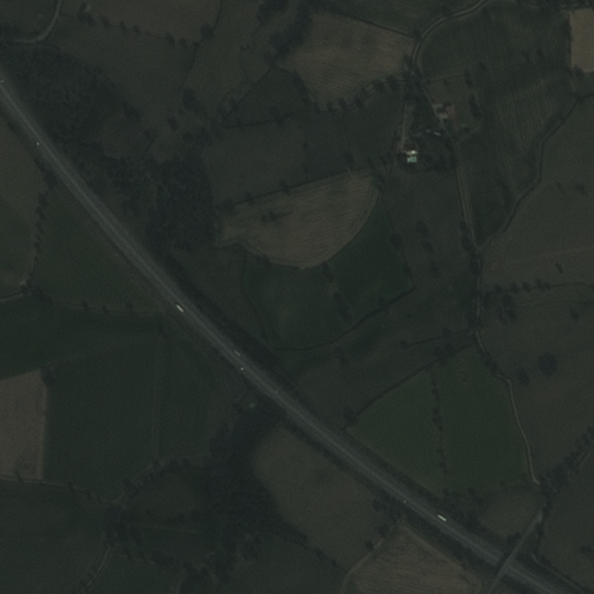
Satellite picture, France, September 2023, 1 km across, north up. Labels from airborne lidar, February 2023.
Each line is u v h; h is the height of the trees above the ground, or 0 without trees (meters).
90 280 0
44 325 0
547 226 0
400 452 0
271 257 0
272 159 0
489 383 0
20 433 0
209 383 0
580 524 0
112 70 0
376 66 0
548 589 0
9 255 0
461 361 0
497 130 0
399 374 0
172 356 0
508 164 0
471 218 0
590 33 0
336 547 0
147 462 0
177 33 0
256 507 19
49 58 12
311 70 0
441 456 14
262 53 0
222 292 0
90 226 0
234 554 12
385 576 0
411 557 0
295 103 0
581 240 0
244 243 0
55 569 0
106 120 0
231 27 0
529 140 0
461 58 0
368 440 0
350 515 0
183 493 0
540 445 0
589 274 0
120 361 0
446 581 0
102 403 0
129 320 0
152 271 0
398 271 0
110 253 0
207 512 0
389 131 0
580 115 0
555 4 17
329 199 0
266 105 0
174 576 0
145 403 0
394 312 0
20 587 0
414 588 0
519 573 0
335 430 0
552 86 0
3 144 0
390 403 0
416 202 0
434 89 0
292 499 0
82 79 10
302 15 21
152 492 0
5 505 0
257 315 0
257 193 0
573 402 0
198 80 0
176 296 0
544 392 0
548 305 0
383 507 8
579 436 0
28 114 0
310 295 0
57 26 0
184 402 0
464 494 0
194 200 20
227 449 24
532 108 0
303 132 0
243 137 0
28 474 0
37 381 0
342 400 0
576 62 0
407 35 0
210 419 0
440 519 0
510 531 0
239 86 0
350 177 0
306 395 0
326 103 0
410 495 0
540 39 0
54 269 0
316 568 0
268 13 13
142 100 0
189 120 0
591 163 0
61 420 0
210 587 0
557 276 0
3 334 0
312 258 0
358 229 0
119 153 0
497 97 0
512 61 0
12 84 0
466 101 0
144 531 0
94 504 0
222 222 0
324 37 0
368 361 0
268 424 11
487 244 0
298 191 0
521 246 0
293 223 0
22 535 0
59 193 0
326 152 0
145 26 0
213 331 0
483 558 0
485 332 0
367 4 0
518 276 0
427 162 7
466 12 0
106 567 0
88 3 0
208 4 0
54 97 14
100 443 0
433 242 0
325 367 0
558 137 0
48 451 0
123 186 12
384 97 0
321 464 0
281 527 11
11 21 0
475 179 0
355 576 0
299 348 0
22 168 0
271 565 0
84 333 0
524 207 0
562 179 0
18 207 0
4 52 15
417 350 0
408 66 16
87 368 0
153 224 21
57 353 0
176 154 0
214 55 0
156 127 0
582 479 0
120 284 0
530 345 0
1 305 0
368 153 0
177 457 0
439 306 0
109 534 14
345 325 0
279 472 0
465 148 0
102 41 0
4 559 0
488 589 0
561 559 0
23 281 0
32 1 0
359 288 0
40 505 0
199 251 0
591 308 0
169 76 0
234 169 0
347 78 0
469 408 0
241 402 0
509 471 0
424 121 0
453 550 6
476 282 0
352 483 0
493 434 0
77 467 0
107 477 0
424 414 0
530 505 0
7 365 0
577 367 0
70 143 10
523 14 0
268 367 12
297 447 0
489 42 0
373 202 0
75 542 0
